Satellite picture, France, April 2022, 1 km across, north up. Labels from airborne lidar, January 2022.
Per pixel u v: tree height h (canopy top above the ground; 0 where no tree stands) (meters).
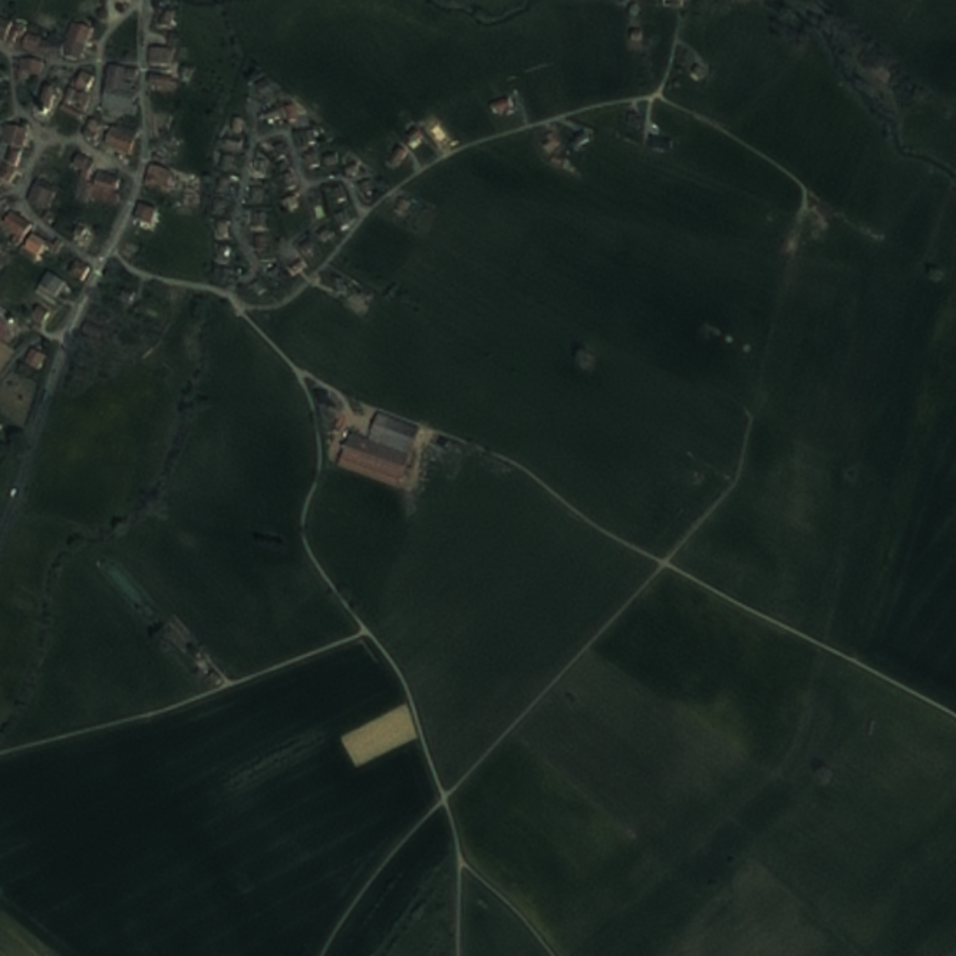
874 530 0
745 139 0
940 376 0
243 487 0
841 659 0
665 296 0
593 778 0
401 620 0
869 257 0
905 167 0
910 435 0
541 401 0
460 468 0
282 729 0
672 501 0
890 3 0
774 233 0
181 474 0
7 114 7
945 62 0
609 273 0
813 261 0
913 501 0
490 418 0
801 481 0
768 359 0
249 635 0
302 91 0
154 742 0
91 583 0
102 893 0
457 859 0
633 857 0
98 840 0
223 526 0
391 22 0
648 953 0
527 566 0
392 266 0
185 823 0
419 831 0
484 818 0
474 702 0
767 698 0
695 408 0
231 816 0
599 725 0
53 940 0
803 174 0
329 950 0
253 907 0
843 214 0
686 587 0
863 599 0
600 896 0
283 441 0
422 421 0
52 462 0
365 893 0
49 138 0
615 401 0
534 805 0
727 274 0
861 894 0
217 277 8
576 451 0
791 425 0
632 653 0
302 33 0
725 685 0
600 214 0
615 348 0
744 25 0
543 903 0
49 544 0
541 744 0
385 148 0
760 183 0
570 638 0
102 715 0
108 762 0
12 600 0
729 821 0
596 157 0
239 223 0
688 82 0
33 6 0
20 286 0
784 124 0
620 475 0
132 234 0
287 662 0
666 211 0
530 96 0
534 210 0
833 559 0
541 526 0
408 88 0
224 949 0
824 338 0
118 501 0
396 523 0
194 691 0
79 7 0
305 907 0
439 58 0
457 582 0
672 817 0
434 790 0
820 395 0
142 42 0
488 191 0
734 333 0
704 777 0
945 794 0
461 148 0
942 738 0
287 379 0
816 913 0
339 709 0
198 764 0
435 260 0
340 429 0
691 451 0
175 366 0
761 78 0
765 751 0
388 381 0
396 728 0
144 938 0
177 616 0
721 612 0
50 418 0
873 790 0
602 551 0
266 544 16
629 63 0
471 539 0
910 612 0
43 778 0
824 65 0
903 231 0
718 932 0
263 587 0
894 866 0
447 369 0
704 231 0
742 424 0
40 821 0
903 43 0
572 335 0
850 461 0
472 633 0
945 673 0
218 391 0
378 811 0
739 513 0
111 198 0
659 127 0
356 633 0
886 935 0
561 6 0
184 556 0
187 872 0
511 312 0
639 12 9
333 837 0
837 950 0
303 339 0
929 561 0
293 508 0
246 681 0
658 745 0
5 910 0
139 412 0
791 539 0
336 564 0
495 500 0
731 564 0
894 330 0
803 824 0
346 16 0
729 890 0
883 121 11
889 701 0
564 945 0
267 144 0
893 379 0
